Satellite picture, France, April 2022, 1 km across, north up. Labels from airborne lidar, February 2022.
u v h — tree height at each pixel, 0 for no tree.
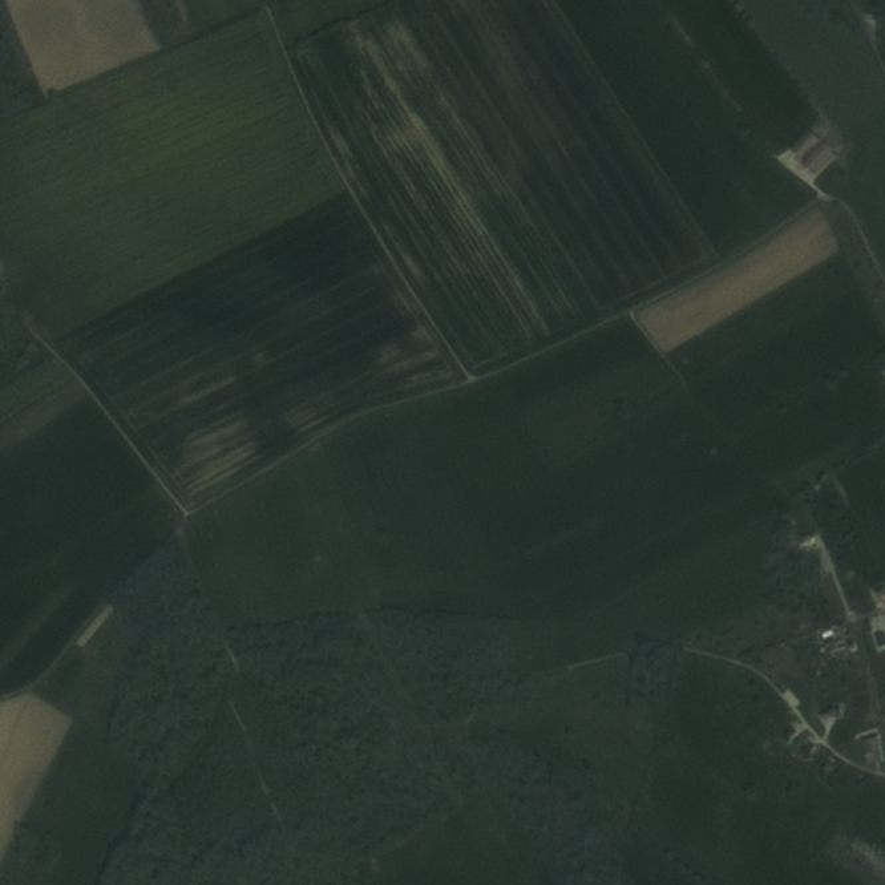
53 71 0
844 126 0
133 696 27
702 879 18
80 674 0
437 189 0
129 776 0
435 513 0
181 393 0
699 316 0
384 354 0
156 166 0
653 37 0
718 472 0
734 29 0
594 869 25
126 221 0
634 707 22
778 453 0
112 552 0
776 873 0
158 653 24
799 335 0
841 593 0
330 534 0
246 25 0
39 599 0
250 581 0
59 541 0
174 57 0
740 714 0
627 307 0
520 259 0
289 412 0
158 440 0
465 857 0
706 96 0
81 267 0
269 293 0
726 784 0
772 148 0
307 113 0
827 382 9
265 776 8
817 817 0
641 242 0
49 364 0
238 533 0
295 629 10
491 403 0
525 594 0
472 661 8
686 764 0
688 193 0
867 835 0
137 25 0
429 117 0
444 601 0
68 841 0
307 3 0
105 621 0
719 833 0
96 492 0
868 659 0
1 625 0
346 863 27
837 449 0
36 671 0
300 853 29
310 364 0
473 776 16
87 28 0
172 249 0
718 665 0
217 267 0
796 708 0
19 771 0
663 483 0
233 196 0
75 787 0
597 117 0
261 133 0
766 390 0
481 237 0
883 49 0
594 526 0
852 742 0
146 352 0
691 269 0
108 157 0
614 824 0
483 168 0
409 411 0
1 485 0
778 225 0
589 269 0
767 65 0
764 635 0
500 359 0
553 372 0
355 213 0
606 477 0
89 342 0
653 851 0
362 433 0
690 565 0
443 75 0
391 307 0
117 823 0
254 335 0
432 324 0
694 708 0
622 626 0
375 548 0
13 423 0
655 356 0
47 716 0
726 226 0
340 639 21
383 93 0
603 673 0
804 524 0
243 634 14
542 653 0
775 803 0
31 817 0
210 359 0
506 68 0
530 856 0
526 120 0
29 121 0
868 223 0
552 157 0
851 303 0
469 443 0
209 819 9
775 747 0
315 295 0
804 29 0
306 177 0
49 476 0
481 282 0
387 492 0
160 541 0
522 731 0
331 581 0
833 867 0
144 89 0
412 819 9
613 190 0
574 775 0
